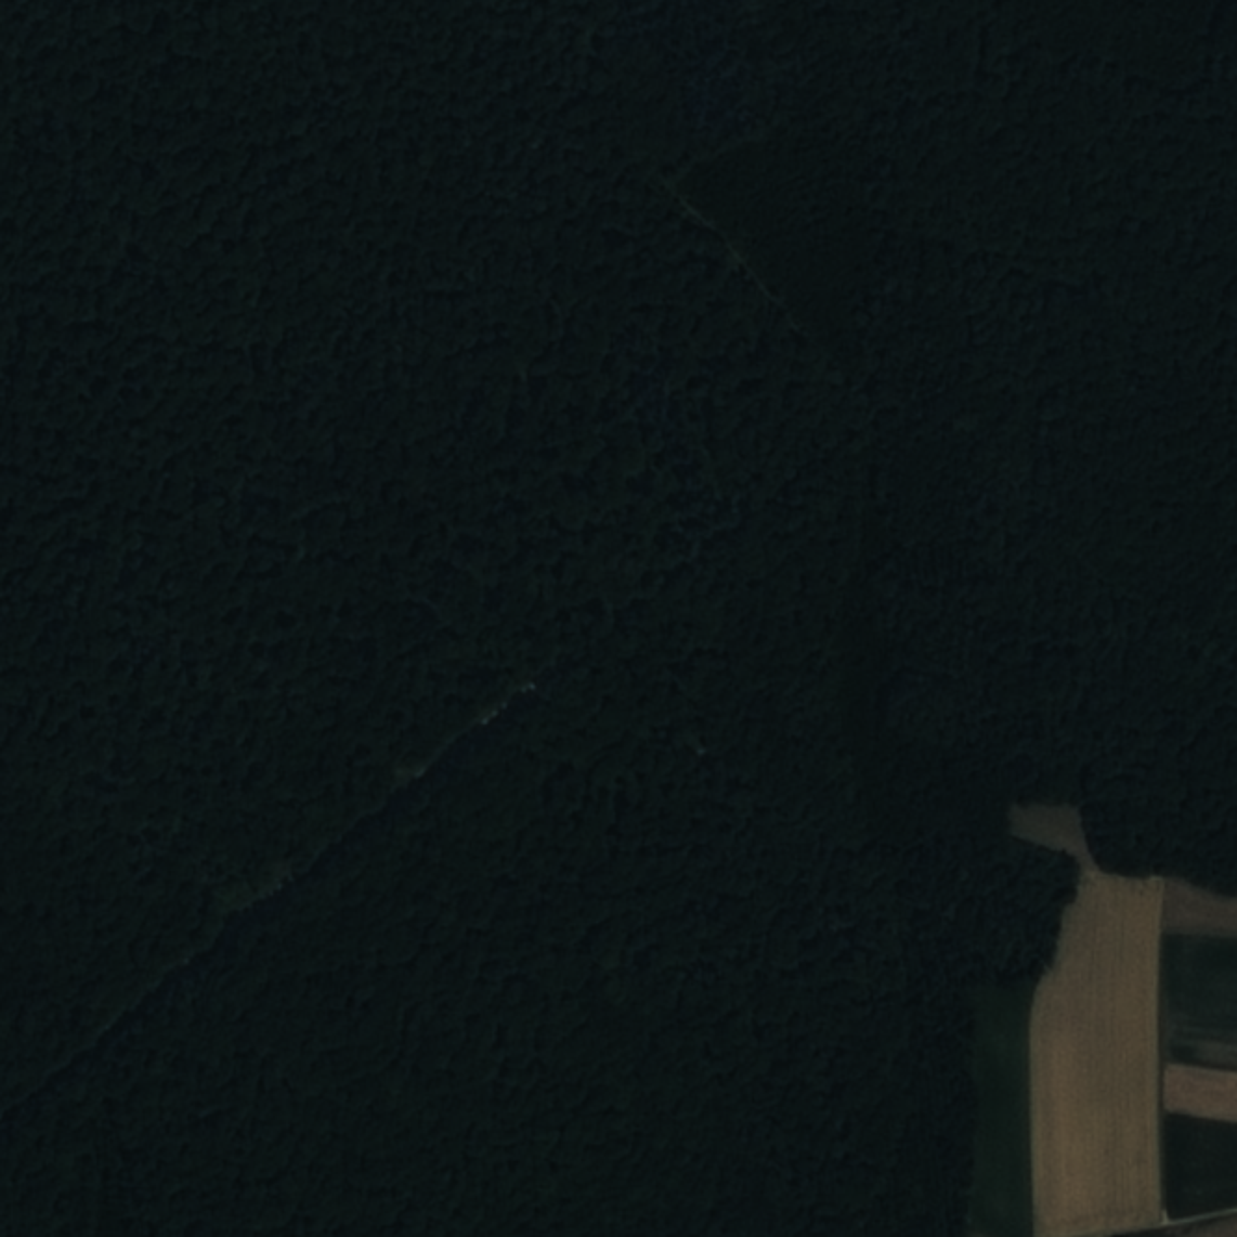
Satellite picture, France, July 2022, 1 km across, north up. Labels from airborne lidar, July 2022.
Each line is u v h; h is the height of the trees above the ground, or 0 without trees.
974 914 23
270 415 25
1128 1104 0
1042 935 22
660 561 16
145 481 25
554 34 22
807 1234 23
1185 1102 0
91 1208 21
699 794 19
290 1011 27
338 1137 28
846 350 12
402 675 24
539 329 24
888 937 28
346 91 22
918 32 22
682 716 19
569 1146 31
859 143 11
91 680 29
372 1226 23
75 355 19
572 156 23
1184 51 16
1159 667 23
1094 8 15
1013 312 17
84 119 22
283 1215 24
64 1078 23
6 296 19
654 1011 24
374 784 25
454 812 25
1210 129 28
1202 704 22
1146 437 29
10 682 25
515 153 17
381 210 21
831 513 23
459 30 21
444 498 23
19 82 24
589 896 27
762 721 21
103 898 27
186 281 26
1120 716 22
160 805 27
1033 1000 0
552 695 23
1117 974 0
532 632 23
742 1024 19
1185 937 0
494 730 15
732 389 27
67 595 27
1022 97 24
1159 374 28
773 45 26
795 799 23
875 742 9
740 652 24
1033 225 23
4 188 24
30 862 25
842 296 11
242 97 25
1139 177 24
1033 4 14
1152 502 25
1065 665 22
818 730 22
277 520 28
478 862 24
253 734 24
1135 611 23
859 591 7
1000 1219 0
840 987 27
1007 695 25
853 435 21
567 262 26
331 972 23
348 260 28
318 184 25
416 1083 30
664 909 22
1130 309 24
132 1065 28
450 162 21
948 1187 21
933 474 19
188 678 28
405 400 23
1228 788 29
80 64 21
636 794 17
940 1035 18
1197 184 24
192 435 24
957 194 24
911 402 17
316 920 21
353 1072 24
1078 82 25
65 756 26
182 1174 22
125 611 29
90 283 23
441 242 25
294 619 24
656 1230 21
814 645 20
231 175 19
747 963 22
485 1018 27
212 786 24
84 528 19
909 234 15
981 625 18
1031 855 16
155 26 26
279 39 20
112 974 20
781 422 22
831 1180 23
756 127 27
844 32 22
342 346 20
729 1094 20
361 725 29
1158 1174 0
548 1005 30
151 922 23
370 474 27
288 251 22
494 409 24
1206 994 0
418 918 23
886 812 10
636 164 24
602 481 27
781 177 6
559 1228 26
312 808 25
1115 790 26
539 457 25
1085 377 26
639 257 23
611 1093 26
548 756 27
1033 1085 0
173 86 21
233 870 18
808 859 25
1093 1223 0
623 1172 22
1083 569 25
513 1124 29
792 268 8
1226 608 25
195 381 25
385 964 25
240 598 24
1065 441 22
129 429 23
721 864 25
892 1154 22
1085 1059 0
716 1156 20
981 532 19
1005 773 21
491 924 25
